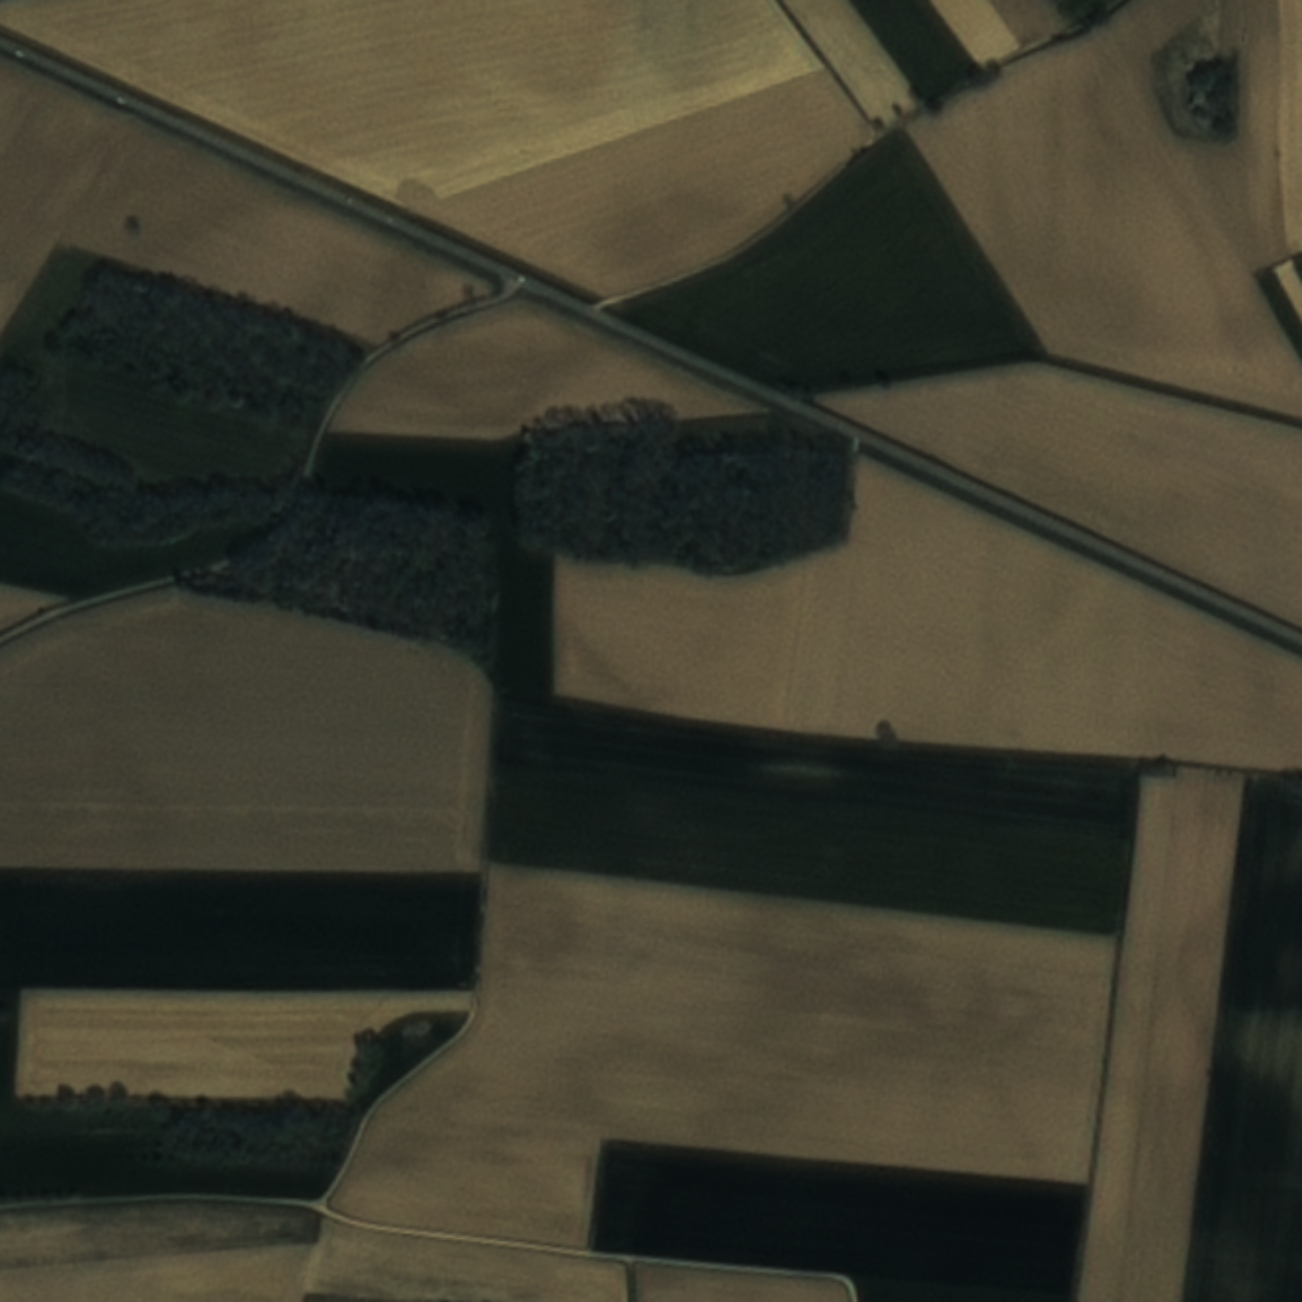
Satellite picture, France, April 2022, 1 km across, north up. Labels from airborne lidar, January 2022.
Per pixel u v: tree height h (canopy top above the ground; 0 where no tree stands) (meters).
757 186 0
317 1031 0
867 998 0
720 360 0
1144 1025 0
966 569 0
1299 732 0
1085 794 0
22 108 0
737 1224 0
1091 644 0
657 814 0
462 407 0
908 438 0
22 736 0
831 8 0
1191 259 0
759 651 0
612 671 0
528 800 0
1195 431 0
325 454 0
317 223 0
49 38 0
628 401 0
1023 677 0
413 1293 0
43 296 0
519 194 0
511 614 0
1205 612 0
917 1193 0
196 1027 0
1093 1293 0
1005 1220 0
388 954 0
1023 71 0
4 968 0
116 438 0
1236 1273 0
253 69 0
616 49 0
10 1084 0
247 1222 0
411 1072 0
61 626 0
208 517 18
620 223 0
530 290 0
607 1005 0
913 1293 0
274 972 0
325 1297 0
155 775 0
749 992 0
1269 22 0
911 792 0
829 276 0
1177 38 0
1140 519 0
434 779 0
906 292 0
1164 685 0
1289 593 0
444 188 0
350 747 0
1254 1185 0
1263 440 0
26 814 0
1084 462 0
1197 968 0
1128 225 0
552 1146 0
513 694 0
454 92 0
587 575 0
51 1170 0
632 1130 0
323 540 27
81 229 0
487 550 24
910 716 0
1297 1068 0
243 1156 14
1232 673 0
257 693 0
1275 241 0
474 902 0
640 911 0
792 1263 0
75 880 0
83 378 0
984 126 0
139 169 0
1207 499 0
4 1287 0
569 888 0
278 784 0
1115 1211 0
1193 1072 0
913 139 0
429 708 0
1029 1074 0
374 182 0
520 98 0
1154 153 0
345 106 0
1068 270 0
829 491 29
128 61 0
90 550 0
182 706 0
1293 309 0
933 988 0
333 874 0
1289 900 0
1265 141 0
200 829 0
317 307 0
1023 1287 0
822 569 0
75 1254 0
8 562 0
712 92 0
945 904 0
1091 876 0
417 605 23
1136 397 0
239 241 0
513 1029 0
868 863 0
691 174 0
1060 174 0
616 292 0
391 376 0
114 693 0
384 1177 0
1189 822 0
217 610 0
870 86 0
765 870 0
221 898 0
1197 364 0
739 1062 0
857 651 0
